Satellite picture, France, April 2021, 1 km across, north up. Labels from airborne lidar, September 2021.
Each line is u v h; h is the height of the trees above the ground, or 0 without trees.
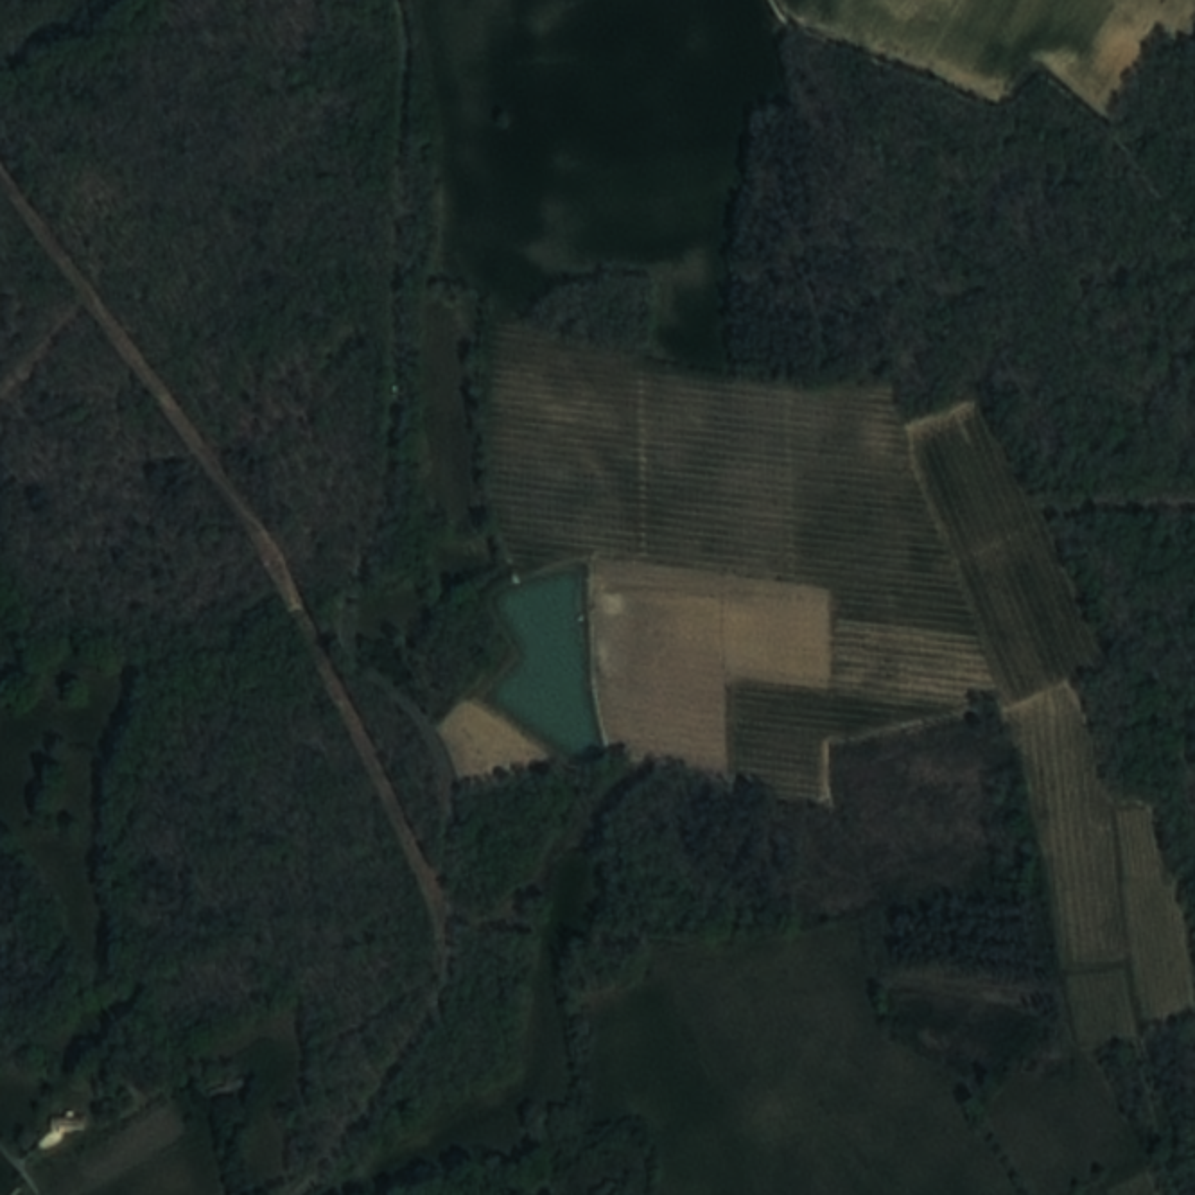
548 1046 0
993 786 12
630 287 17
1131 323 20
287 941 17
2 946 16
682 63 0
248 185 18
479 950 20
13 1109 0
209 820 19
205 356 20
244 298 17
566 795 17
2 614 23
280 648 25
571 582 0
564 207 0
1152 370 17
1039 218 21
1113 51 0
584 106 0
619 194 0
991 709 16
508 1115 0
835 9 0
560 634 0
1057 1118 0
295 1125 19
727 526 6
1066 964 0
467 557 0
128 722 17
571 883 0
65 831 17
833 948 0
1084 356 22
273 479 17
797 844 16
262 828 21
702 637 0
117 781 25
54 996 21
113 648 26
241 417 11
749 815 22
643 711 0
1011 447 18
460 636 25
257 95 19
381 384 24
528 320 12
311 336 25
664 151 0
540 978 0
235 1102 11
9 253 14
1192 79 21
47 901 26
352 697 22
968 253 21
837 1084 0
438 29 0
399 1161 0
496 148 0
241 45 22
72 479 7
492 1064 21
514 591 0
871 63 14
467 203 0
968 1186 0
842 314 11
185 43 18
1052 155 15
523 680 0
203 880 19
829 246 12
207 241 16
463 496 0
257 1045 0
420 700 16
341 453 16
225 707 22
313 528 14
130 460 9
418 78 15
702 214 0
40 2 15
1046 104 16
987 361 20
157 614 7
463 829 19
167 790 12
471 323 0
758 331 23
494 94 0
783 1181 0
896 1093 0
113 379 16
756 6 0
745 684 0
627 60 0
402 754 15
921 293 20
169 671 26
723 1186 0
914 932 17
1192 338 15
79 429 11
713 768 0
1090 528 13
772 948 0
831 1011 0
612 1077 0
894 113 18
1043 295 21
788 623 0
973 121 17
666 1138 0
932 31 0
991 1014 0
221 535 10
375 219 17
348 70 19
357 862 18
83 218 12
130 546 14
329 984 16
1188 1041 17
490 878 22
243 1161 10
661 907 28
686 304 0
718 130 0
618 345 14
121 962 25
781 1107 0
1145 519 20
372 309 24
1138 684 22
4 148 12
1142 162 23
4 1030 15
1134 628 13
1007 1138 0
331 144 17
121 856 22
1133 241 21
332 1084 19
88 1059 23
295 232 19
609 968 19
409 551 23
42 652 28
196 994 19
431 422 0
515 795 20
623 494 7
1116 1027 0
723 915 26
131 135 16
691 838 23
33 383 10
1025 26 0
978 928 13
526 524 7
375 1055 21
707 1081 0
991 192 13
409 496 24
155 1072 19
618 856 27
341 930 18
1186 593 24
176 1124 0
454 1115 0
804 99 13
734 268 22
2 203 19
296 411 15
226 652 20
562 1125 11
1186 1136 14
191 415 20
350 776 17
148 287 17
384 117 20
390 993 17
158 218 20
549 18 0
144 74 19
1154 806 19
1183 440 21
